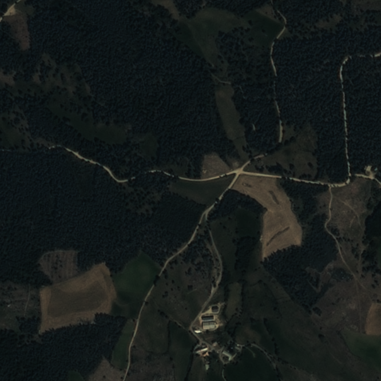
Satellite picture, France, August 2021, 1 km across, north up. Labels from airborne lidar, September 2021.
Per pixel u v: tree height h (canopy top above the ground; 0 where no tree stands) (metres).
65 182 14
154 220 8
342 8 9
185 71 16
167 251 7
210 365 6
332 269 0
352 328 0
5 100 21
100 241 15
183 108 18
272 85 9
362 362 0
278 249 0
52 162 17
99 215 15
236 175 0
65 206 15
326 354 0
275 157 0
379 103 17
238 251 13
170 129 16
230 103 0
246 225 0
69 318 0
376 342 0
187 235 6
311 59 11
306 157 0
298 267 7
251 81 13
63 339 11
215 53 0
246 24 0
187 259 11
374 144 13
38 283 7
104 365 0
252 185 0
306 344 0
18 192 17
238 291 0
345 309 0
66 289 0
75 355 16
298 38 8
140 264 0
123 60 16
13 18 0
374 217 15
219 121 9
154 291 0
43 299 0
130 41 14
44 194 17
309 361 0
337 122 15
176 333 0
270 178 0
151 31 15
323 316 0
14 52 11
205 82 17
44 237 6
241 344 0
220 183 0
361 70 13
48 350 17
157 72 17
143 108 6
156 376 0
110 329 13
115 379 0
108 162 15
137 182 14
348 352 0
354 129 14
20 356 11
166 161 12
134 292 0
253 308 0
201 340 0
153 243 13
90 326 7
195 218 6
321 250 6
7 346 8
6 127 0
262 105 14
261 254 0
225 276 11
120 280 0
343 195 0
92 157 6
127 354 0
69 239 9
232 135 0
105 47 15
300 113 15
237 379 0
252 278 0
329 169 8
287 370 0
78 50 18
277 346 11
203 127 18
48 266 0
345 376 0
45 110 13
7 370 9
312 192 6
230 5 13
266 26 0
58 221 14
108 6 14
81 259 14
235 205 13
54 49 14
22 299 0
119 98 15
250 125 9
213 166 0
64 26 13
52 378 17
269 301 0
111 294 0
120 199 16
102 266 0
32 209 9
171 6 0
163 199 9
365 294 0
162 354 0
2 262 7
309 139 0
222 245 0
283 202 0
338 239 8
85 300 0
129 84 14
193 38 0
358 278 0
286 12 13
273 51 8
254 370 0
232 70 7
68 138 14
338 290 0
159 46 14
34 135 12
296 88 6
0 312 0
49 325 0
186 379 12
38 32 18
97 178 12
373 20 9
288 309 0
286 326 0
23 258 7
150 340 0
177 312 0
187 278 0
